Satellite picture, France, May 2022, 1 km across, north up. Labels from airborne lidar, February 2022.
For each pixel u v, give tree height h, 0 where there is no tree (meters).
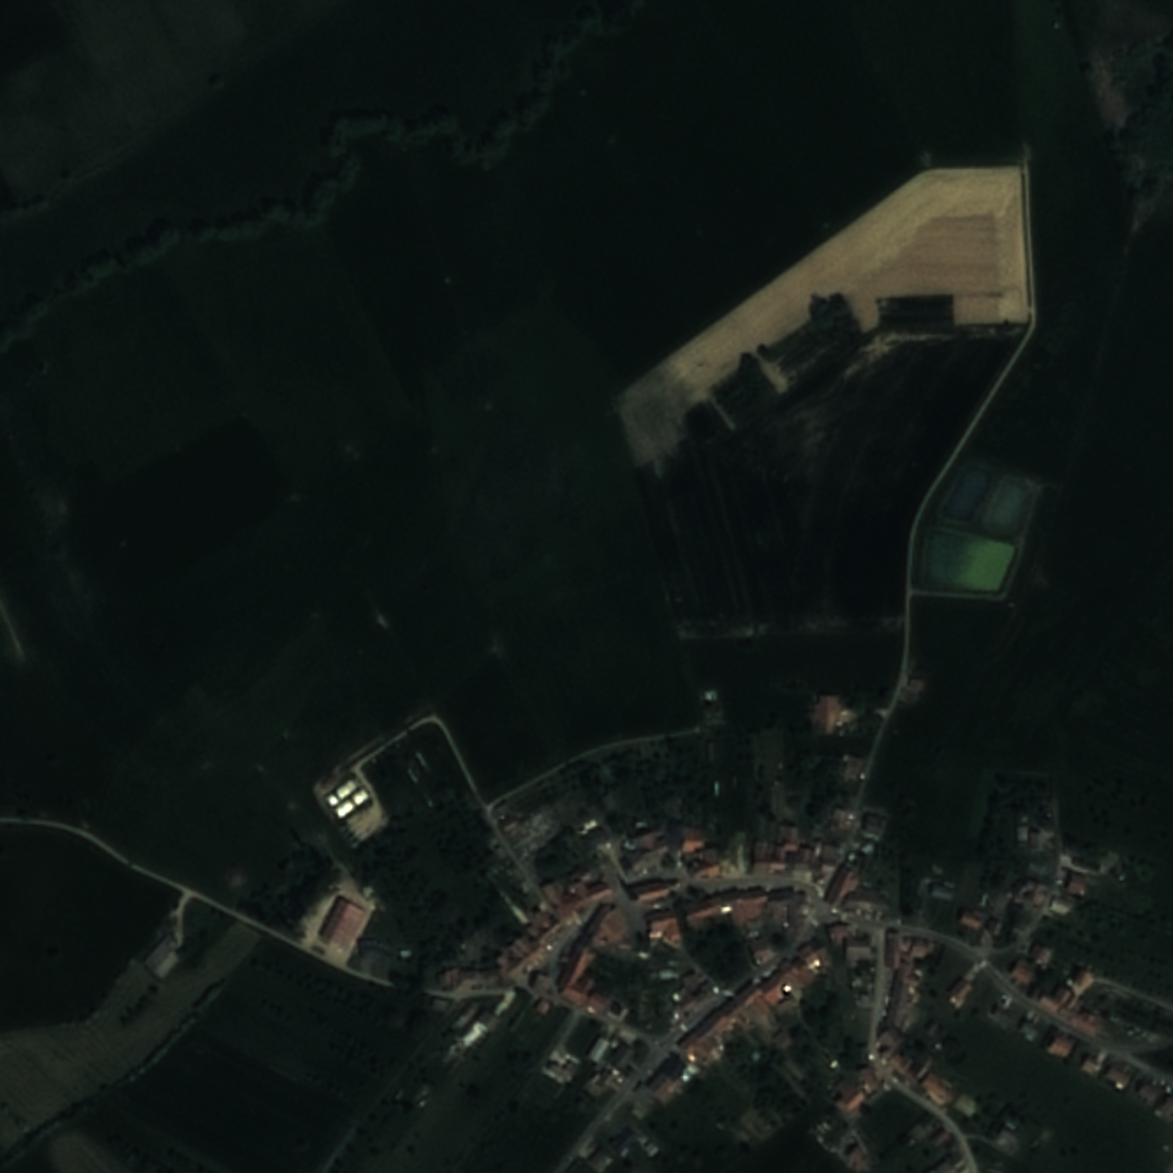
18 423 0
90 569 0
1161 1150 0
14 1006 0
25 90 0
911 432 0
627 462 0
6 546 0
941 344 0
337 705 0
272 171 0
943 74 0
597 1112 0
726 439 0
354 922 0
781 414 0
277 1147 0
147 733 0
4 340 14
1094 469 0
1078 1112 0
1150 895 0
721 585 0
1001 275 0
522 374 0
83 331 0
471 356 0
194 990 0
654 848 0
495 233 0
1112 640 0
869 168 0
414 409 0
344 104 0
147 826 0
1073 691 0
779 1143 0
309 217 16
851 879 0
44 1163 0
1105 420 0
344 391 0
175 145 0
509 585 0
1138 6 0
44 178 0
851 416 0
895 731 0
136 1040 0
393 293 0
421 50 0
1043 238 0
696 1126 0
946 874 0
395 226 0
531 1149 0
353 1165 0
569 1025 0
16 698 0
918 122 0
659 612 0
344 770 0
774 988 0
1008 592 0
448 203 0
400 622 0
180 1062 0
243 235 12
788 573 0
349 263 0
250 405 0
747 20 0
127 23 0
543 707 0
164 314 0
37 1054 0
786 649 0
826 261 0
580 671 0
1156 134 19
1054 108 0
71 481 0
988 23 0
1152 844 0
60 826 0
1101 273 0
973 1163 0
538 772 0
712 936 8
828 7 0
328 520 0
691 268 0
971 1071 0
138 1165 8
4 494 0
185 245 13
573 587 0
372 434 0
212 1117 0
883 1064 0
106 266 16
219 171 0
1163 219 0
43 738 0
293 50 0
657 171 0
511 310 0
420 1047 0
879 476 0
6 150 0
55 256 0
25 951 0
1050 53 0
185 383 0
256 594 0
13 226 0
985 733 0
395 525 0
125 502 0
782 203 0
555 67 14
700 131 0
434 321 0
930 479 0
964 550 0
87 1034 0
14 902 0
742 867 0
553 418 0
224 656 0
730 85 0
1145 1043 0
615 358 0
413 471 0
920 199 0
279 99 0
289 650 0
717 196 0
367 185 0
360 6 0
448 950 15
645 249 0
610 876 0
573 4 0
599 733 0
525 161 0
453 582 0
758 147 0
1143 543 0
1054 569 0
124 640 0
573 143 0
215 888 0
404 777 0
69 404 0
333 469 0
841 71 0
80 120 0
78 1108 7
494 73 0
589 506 0
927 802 0
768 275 0
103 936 0
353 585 0
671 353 0
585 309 0
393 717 0
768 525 0
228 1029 0
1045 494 0
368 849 7
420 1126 0
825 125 0
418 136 15
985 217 0
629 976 0
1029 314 0
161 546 0
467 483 0
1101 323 0
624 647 0
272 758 0
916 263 0
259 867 0
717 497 0
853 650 0
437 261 0
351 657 0
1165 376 0
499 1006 0
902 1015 0
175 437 0
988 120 0
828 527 0
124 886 0
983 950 0
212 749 0
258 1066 0
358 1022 0
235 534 0
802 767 6
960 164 0
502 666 0
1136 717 0
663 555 0
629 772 11
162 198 0
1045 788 8
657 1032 0
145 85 0
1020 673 0
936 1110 0
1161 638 0
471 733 0
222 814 0
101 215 0
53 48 0
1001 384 0
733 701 0
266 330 0
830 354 0
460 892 0
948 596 0
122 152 0
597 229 0
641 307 0
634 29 0
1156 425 0
